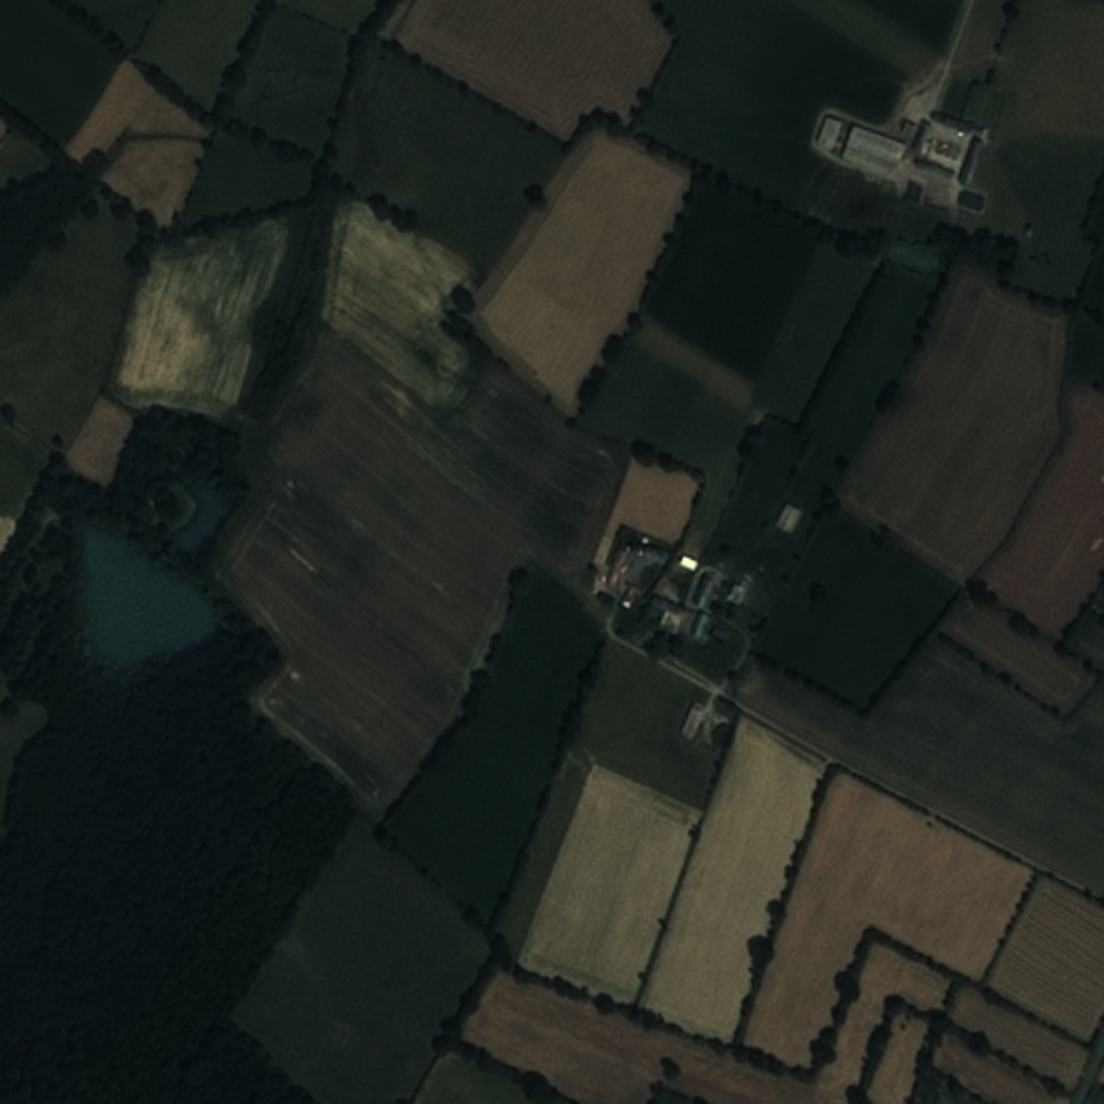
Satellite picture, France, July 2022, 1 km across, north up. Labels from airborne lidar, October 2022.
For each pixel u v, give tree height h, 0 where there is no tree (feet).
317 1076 0
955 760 0
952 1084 42
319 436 0
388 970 0
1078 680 0
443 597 0
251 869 38
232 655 38
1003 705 0
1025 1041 0
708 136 0
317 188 45
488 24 0
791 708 0
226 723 69
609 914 0
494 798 0
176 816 74
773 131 0
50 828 60
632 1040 0
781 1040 0
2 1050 80
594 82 0
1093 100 0
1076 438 0
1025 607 0
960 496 0
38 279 0
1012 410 0
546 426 0
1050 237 0
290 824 35
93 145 0
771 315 0
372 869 0
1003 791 0
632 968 0
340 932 0
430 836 0
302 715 0
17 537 33
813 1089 0
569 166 0
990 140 0
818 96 0
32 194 63
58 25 0
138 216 19
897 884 0
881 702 24
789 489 0
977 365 0
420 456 0
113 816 73
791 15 0
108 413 0
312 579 0
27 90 0
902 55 0
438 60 0
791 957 0
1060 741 0
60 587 50
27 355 0
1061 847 0
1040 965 0
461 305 62
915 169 0
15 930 62
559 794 0
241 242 0
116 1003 67
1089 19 0
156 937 63
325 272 0
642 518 0
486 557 0
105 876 68
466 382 0
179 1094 60
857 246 59
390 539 0
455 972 0
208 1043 60
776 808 0
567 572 0
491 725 0
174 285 0
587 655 0
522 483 0
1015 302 0
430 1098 0
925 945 0
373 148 0
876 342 0
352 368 0
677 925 0
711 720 0
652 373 0
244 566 0
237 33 0
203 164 38
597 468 0
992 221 0
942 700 0
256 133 34
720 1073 0
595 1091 0
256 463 0
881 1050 52
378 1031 0
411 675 0
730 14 0
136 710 67
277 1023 0
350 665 0
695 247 0
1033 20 0
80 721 57
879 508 0
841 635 0
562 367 0
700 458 0
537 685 0
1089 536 0
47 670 58
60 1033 73
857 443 0
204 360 0
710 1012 0
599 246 0
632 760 0
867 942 23
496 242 0
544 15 0
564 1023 0
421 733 0
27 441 0
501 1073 24
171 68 0
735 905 0
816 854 0
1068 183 0
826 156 0
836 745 0
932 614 0
